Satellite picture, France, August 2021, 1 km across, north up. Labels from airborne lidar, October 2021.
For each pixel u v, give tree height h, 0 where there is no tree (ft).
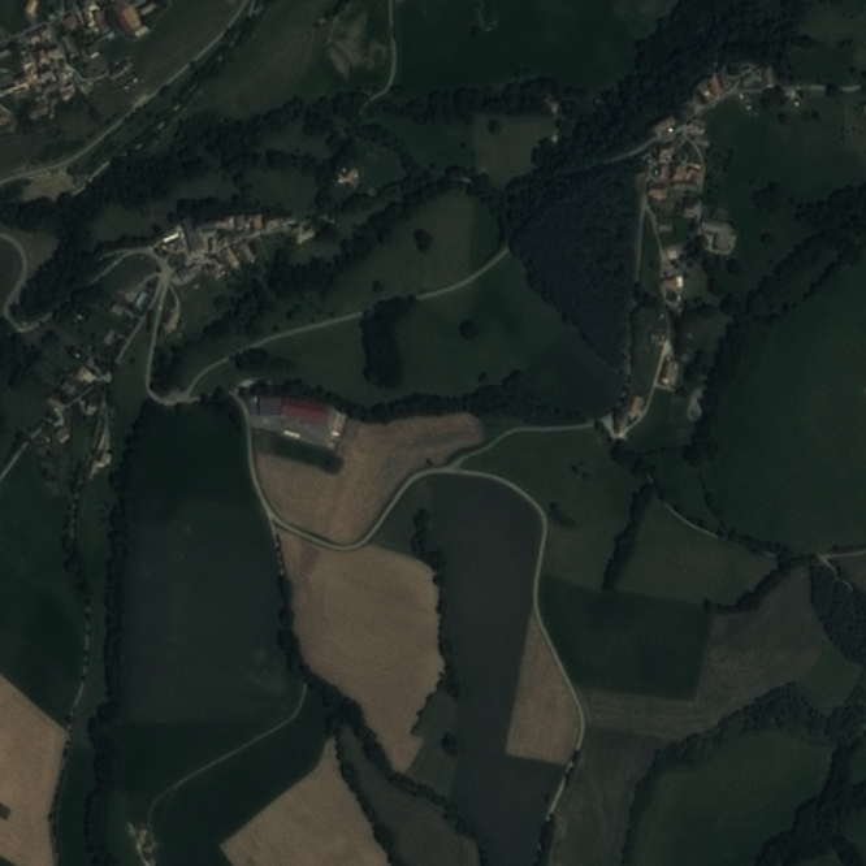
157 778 0
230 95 0
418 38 0
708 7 63
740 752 0
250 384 0
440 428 0
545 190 46
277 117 77
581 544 0
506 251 0
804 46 50
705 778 0
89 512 0
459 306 0
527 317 0
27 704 0
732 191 0
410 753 0
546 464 0
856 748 44
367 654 0
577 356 0
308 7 0
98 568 0
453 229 0
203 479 0
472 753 0
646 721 0
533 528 0
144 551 0
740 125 0
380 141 66
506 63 0
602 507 0
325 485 0
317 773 0
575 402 0
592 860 0
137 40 0
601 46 0
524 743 0
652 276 0
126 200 41
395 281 0
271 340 0
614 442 36
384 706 0
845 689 0
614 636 0
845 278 0
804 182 0
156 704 0
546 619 0
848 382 0
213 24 0
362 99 56
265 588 0
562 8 0
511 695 0
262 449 0
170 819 0
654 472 38
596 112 20
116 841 0
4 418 53
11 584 0
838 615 43
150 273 0
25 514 0
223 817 0
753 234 0
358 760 0
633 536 37
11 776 0
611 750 0
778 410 0
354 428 0
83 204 65
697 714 0
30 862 0
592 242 74
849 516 0
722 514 40
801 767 0
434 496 0
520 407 45
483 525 0
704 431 76
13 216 56
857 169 0
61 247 39
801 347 0
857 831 0
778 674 0
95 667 0
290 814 0
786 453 0
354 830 0
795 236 0
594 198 80
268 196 0
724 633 0
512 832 0
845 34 0
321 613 0
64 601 0
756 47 39
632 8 0
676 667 0
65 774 21
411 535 0
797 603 0
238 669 0
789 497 0
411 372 0
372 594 0
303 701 0
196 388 0
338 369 0
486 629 0
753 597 59
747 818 0
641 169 27
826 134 0
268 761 0
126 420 0
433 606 0
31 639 0
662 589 0
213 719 0
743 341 79
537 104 59
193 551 0
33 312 34
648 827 0
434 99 44
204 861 0
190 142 64
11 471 0
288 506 0
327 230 29
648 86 97
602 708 0
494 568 0
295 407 0
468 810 0
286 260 44
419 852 0
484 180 46
